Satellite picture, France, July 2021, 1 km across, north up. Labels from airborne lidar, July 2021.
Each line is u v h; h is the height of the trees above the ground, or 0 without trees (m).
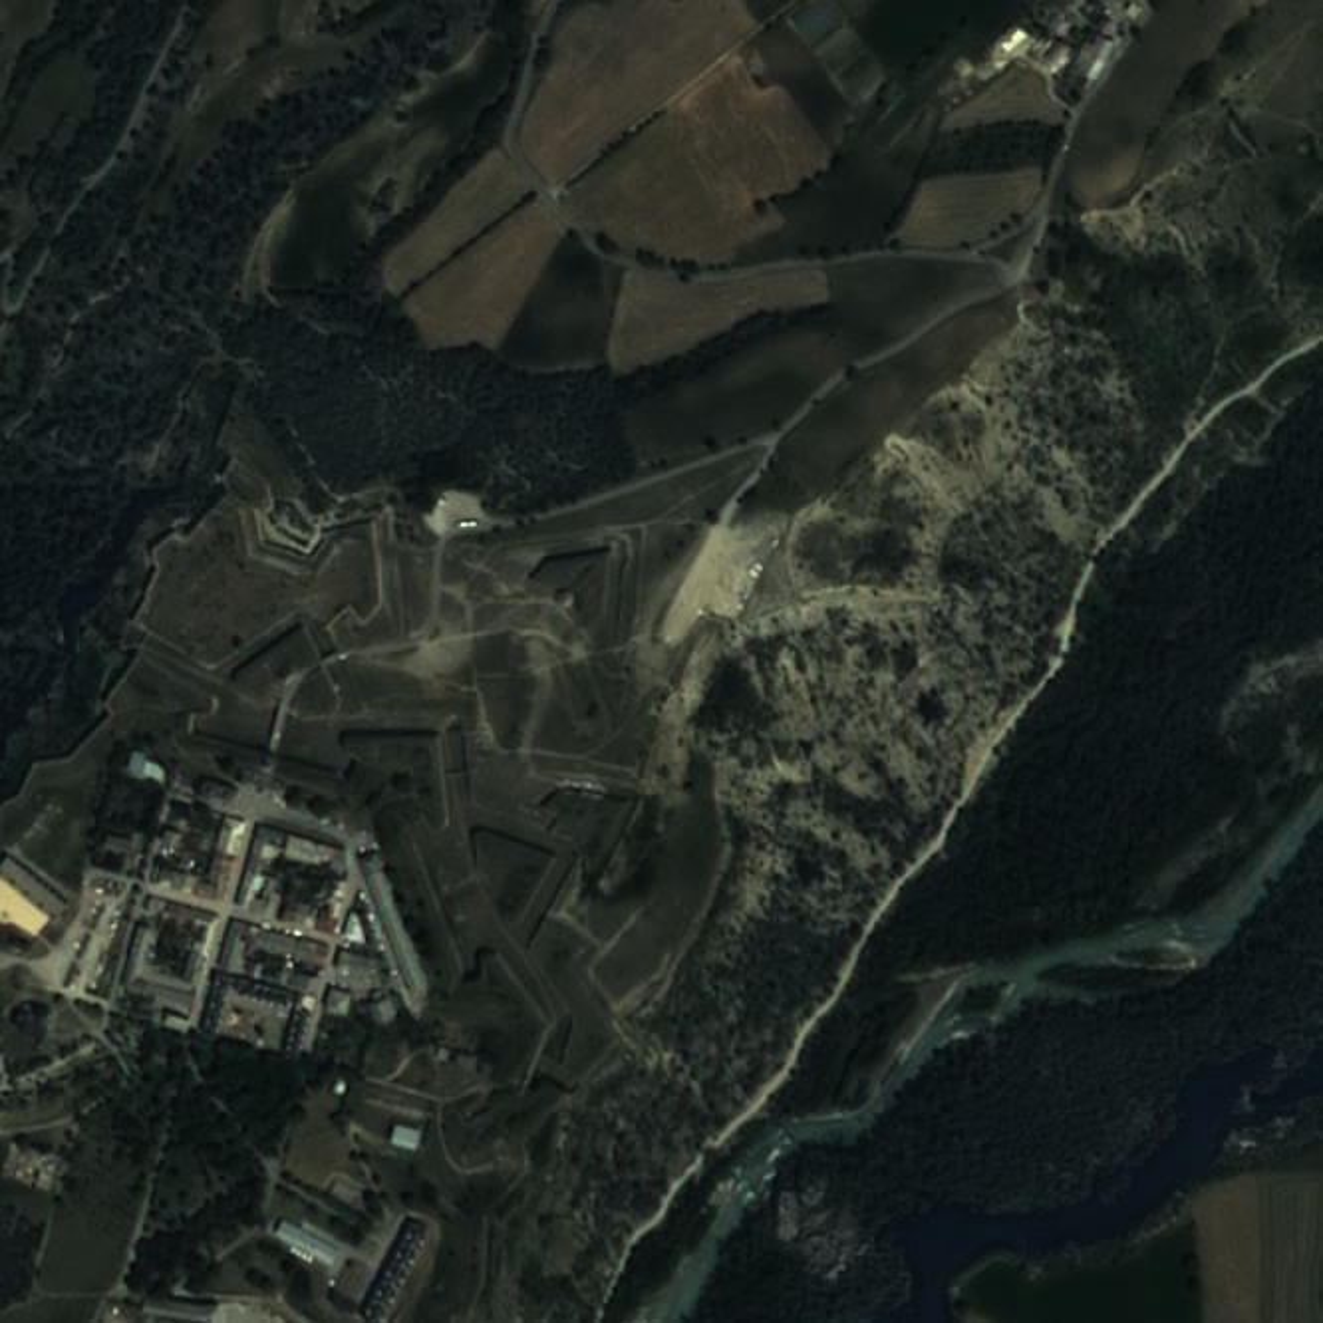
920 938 8
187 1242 14
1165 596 15
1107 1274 0
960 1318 30
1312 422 9
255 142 15
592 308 0
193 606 0
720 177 0
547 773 0
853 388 0
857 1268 9
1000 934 12
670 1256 9
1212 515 14
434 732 0
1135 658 17
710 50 0
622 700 0
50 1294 0
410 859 0
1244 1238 0
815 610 0
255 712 0
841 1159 12
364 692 0
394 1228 0
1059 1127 12
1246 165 0
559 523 0
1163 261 8
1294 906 15
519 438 8
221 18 0
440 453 9
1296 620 11
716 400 0
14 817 0
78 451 6
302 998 0
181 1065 8
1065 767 16
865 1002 6
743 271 0
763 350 0
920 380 0
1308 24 0
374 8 7
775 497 0
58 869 0
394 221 7
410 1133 0
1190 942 0
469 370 11
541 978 0
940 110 0
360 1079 6
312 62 0
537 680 0
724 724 6
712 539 0
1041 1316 0
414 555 0
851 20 0
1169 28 0
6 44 0
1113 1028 13
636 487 0
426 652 0
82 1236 0
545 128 0
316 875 6
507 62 0
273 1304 0
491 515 0
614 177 0
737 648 0
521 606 0
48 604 12
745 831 6
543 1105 0
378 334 13
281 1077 12
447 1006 0
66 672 7
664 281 0
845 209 0
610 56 0
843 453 0
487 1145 0
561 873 0
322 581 0
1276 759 8
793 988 10
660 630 0
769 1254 10
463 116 0
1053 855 15
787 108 0
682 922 0
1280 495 18
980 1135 14
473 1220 0
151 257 10
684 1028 9
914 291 0
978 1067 8
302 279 0
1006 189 0
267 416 11
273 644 0
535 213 0
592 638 0
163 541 0
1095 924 16
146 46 7
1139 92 0
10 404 8
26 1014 0
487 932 0
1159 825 20
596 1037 0
